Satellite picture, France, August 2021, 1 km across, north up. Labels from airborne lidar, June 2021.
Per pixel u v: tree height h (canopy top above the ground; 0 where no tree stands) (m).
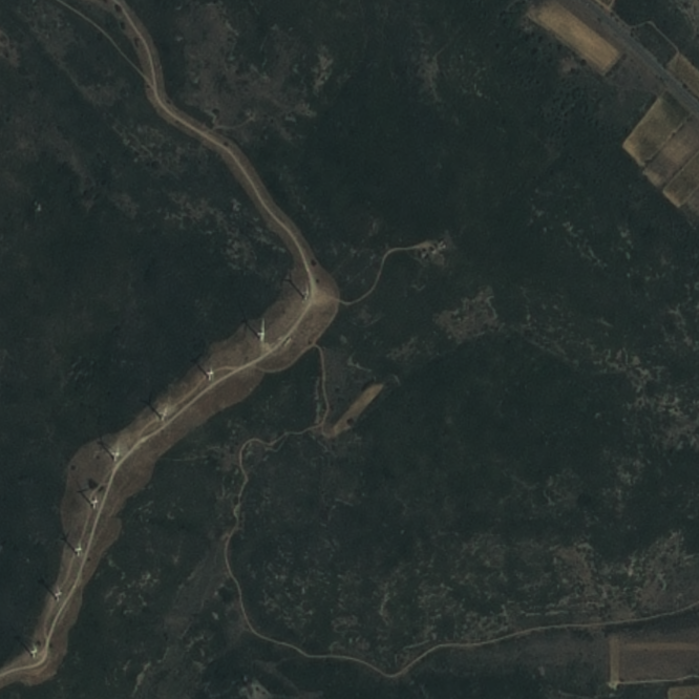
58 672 0
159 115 0
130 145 0
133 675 0
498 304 0
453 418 0
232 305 0
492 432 0
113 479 0
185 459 0
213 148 0
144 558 0
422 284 0
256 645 0
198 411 0
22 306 0
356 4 0
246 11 0
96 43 0
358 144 0
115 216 0
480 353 0
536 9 0
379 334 0
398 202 0
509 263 0
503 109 0
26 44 0
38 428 0
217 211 0
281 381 0
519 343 0
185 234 0
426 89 0
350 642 0
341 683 0
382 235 0
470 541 0
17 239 0
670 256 0
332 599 0
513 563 0
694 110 0
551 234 0
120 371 0
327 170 0
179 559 0
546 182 0
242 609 0
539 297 0
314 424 0
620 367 0
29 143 0
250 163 0
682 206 0
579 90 7
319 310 0
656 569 0
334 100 0
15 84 0
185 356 0
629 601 0
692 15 0
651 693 0
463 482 0
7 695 0
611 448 0
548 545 0
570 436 0
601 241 0
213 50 0
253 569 0
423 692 0
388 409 0
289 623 0
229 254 0
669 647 0
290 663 0
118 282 0
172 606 0
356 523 0
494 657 0
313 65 0
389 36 0
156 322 0
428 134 0
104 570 0
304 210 0
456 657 0
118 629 0
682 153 0
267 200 0
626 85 0
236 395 0
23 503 0
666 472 0
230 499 0
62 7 0
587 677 0
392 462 0
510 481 0
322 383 0
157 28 0
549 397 0
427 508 0
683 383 0
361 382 0
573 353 0
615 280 0
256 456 0
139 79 0
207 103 0
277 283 0
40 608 0
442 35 0
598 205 0
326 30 0
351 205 0
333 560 0
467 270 0
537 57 10
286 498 0
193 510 0
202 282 0
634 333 0
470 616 0
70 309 0
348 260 0
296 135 0
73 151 0
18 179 0
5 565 0
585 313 0
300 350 0
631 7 0
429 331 0
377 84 0
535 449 0
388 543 0
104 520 0
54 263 0
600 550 0
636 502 0
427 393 0
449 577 0
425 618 0
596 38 0
